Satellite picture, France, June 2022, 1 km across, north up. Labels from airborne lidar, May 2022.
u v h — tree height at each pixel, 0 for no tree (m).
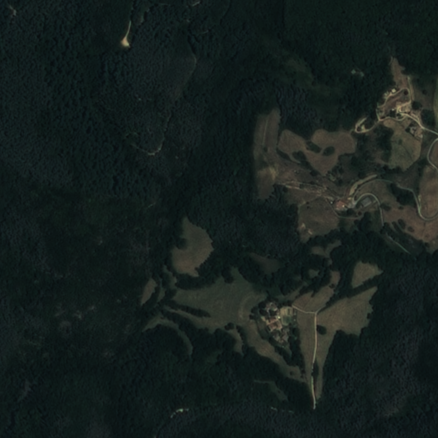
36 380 19
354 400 14
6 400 25
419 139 0
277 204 16
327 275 15
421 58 16
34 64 30
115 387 19
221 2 12
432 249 0
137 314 16
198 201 15
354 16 18
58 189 19
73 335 15
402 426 20
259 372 18
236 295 0
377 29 13
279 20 13
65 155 27
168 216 13
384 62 16
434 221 0
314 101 12
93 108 25
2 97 22
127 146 21
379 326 6
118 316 12
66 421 17
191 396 14
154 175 19
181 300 0
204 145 21
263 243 15
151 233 13
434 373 12
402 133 0
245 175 16
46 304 17
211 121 18
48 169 26
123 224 14
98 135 44
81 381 11
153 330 13
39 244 18
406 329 7
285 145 0
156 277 18
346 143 0
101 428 15
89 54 13
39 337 17
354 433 6
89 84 16
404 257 21
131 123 16
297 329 11
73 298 8
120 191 33
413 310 12
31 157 24
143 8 30
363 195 0
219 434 19
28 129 26
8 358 15
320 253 0
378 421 7
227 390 23
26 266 9
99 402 13
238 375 14
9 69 25
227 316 0
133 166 23
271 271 0
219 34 18
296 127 10
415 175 0
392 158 0
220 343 17
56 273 17
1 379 15
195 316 9
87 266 10
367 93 11
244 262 21
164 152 14
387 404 11
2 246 12
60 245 18
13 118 23
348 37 16
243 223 20
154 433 14
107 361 7
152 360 20
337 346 12
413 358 8
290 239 18
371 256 14
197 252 0
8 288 9
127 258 16
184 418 18
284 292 15
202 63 11
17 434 20
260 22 23
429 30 23
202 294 0
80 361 17
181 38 20
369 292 0
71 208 15
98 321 9
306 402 23
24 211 7
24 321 21
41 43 24
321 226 0
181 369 17
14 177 16
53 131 27
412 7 13
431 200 0
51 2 29
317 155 0
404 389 10
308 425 18
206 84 14
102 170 38
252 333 0
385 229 12
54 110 28
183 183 24
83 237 16
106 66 33
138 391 21
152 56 26
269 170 0
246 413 20
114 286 14
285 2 23
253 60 23
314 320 0
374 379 13
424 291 18
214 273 18
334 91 0
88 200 21
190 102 27
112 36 15
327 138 0
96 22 15
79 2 27
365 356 16
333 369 7
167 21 34
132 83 28
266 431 17
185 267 0
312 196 0
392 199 0
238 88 11
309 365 0
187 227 0
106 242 8
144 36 24
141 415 11
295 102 13
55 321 11
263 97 13
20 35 27
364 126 0
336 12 24
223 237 18
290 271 22
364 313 0
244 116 17
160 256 20
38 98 29
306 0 20
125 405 17
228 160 15
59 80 39
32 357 16
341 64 16
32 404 18
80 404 17
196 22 19
